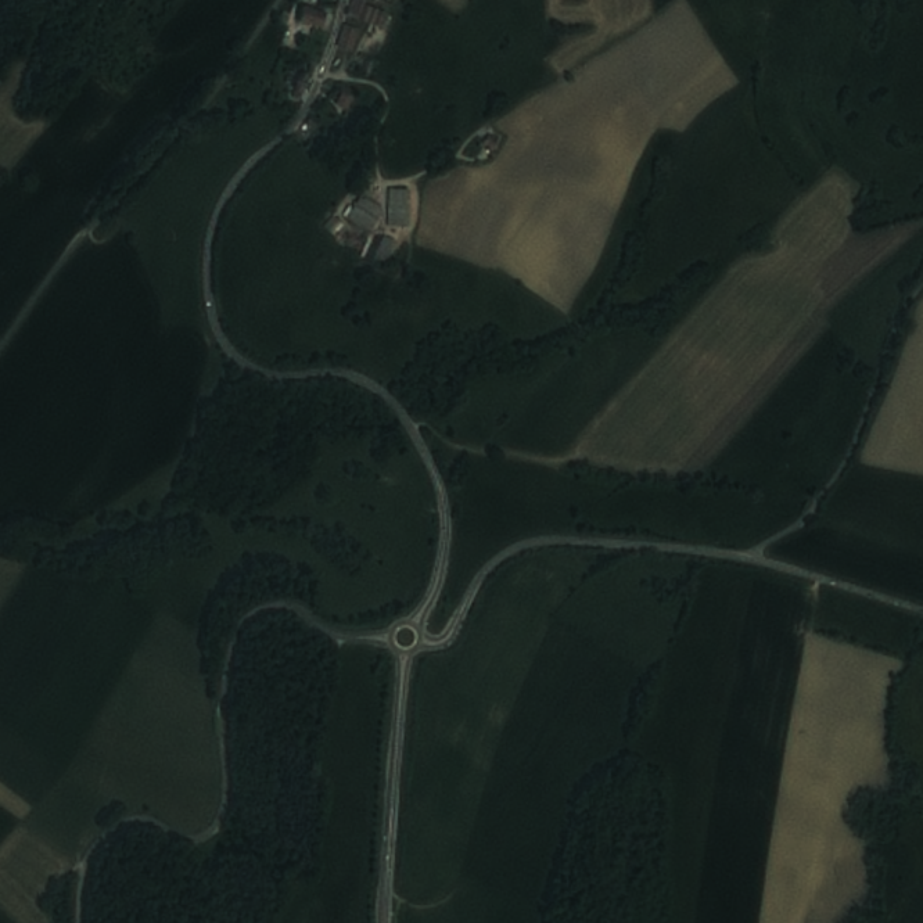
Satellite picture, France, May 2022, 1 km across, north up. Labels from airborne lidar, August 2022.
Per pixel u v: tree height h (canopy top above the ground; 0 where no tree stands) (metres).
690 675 0
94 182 0
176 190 0
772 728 0
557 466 0
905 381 0
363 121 22
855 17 0
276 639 19
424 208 0
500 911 0
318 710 21
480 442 0
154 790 0
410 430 0
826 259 0
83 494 0
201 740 0
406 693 0
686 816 0
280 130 0
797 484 0
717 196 0
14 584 0
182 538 27
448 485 13
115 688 0
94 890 16
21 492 0
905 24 0
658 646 0
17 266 0
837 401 0
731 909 0
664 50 0
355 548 20
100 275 0
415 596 0
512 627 0
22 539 25
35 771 0
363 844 0
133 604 0
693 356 0
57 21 8
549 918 17
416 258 0
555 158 0
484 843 0
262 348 0
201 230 0
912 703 0
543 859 0
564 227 0
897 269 0
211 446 18
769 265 0
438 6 0
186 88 0
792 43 0
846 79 0
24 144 0
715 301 0
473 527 0
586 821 24
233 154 0
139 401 0
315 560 0
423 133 0
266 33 0
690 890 0
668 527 0
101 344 0
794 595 0
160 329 0
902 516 0
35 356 0
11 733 0
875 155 0
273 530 15
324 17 0
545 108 0
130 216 0
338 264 0
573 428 0
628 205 0
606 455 0
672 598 9
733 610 0
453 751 0
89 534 0
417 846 0
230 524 0
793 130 0
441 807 0
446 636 0
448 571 0
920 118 0
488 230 0
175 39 0
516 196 0
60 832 0
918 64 0
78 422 0
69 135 0
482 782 0
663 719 0
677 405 0
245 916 15
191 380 0
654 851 27
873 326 0
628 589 0
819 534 0
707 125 0
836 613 0
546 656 0
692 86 0
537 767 0
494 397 0
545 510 0
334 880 0
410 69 0
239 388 13
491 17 0
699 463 0
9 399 0
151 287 0
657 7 0
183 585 0
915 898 0
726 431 0
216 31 0
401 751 0
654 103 0
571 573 0
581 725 0
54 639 0
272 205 0
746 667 0
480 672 0
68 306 0
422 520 0
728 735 0
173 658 0
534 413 0
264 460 26
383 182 0
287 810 23
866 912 17
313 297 0
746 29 0
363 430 22
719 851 0
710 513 0
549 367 0
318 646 15
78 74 18
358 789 0
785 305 0
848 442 0
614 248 0
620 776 15
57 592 0
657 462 0
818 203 0
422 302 0
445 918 0
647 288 0
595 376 0
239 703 20
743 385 0
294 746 20
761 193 0
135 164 17
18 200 0
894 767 13
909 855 0
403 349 0
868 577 0
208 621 18
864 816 16
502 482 0
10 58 17
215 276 8
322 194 0
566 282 0
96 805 0
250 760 20
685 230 0
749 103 0
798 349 0
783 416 0
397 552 0
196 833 0
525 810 0
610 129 0
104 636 0
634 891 19
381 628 0
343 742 0
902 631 0
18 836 0
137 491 0
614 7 0
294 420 27
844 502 0
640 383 0
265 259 0
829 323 0
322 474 0
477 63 0
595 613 0
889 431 0
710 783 0
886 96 14
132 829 13
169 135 17
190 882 24
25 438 0
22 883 0
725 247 0
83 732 0
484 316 0
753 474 0
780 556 0
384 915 0
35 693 0
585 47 0
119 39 7
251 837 8
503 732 0
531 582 0
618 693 0
